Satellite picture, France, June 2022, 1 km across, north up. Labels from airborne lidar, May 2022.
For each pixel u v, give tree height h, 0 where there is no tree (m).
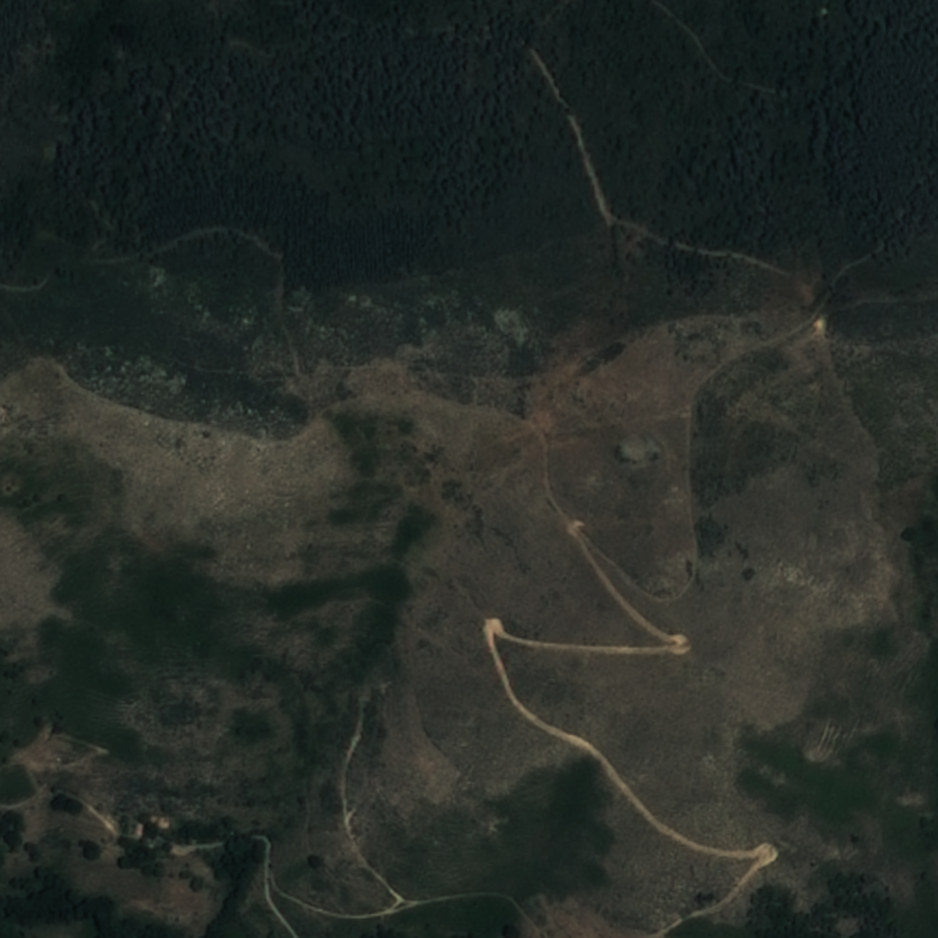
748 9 7
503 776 0
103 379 0
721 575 0
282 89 19
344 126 16
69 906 7
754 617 0
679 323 0
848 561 0
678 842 0
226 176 7
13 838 16
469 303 0
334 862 0
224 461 0
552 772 0
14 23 11
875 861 0
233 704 0
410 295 0
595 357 0
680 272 12
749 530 0
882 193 16
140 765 0
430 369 0
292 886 0
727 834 0
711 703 0
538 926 0
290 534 0
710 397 0
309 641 0
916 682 0
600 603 0
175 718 0
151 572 0
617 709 0
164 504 0
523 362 0
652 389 0
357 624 0
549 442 0
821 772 0
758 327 0
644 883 0
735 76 7
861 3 17
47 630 0
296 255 8
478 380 0
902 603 0
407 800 0
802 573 0
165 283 0
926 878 11
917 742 0
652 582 0
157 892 0
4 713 0
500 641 0
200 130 14
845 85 9
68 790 0
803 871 0
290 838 0
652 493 0
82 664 0
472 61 8
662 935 0
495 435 0
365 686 0
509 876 0
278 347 0
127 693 0
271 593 0
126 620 0
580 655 0
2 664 0
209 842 9
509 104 7
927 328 0
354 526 0
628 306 0
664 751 0
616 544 0
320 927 0
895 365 0
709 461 0
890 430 0
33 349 0
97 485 0
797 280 0
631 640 0
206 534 0
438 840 0
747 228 13
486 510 0
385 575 0
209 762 0
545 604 0
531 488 0
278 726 0
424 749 0
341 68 15
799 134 0
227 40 13
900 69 19
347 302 0
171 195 13
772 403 0
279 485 0
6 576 0
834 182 7
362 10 8
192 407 0
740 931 0
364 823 0
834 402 0
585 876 0
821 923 9
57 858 0
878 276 0
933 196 9
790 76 8
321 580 0
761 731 0
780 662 0
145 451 0
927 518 0
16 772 0
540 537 0
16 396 0
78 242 7
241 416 0
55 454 0
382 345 0
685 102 14
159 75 10
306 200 9
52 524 0
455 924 0
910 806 0
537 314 0
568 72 6
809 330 0
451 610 0
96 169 17
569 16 7
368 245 7
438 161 10
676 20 5
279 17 6
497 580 0
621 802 0
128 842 13
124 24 13
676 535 0
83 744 0
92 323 0
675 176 8
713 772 0
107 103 6
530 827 0
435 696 0
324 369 0
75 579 0
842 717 0
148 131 9
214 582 0
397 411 0
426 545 0
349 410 0
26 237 11
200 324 0
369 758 0
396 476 0
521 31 8
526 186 8
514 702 0
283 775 0
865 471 0
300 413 0
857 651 0
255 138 8
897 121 16
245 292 0
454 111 12
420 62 18
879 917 10
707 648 0
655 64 8
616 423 0
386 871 0
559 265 0
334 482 0
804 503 0
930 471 0
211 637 0
